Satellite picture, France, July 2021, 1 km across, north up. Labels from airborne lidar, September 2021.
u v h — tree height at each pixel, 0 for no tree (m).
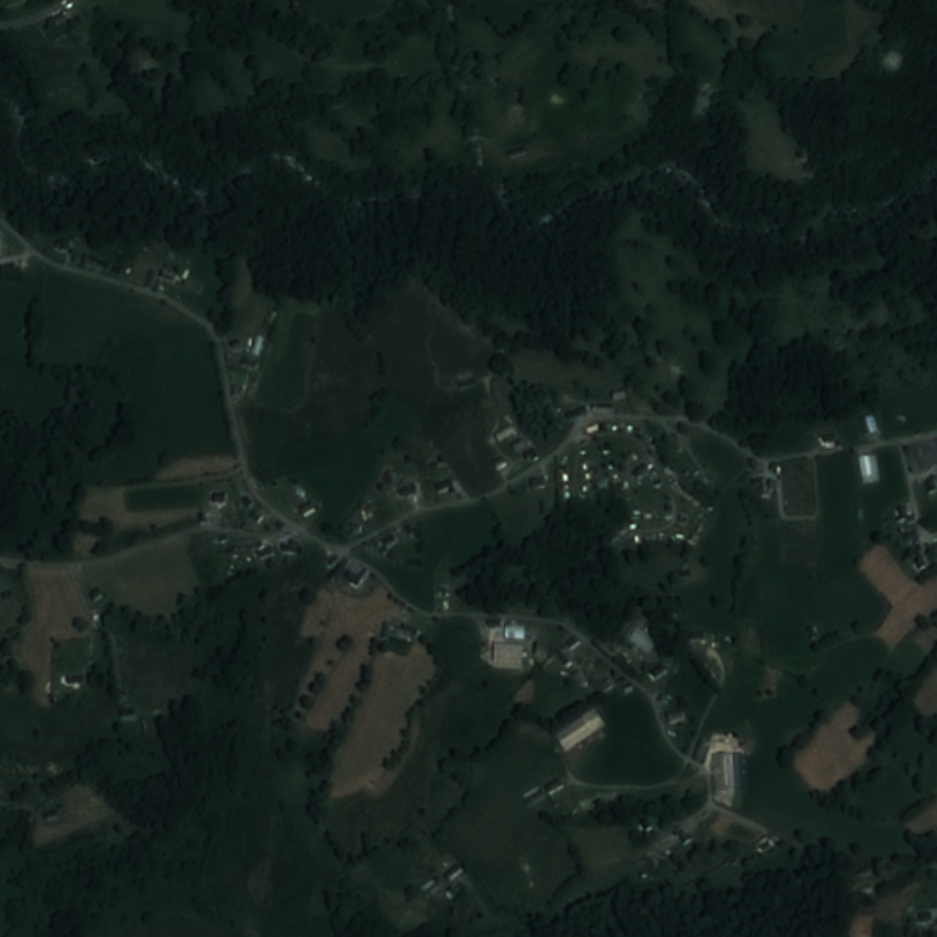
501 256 22
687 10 21
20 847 10
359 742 0
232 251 24
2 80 20
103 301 0
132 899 0
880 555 0
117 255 0
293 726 23
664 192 12
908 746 0
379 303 19
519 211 15
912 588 0
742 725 0
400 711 0
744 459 0
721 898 20
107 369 6
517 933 6
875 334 13
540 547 19
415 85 13
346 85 10
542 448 0
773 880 20
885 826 0
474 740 0
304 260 21
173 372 0
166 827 15
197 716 12
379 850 12
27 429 10
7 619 0
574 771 0
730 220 8
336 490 0
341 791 0
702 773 0
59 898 12
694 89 7
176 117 28
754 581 0
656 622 27
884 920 0
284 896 0
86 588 0
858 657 0
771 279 16
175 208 14
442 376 0
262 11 20
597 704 15
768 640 0
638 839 10
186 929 0
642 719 0
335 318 0
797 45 0
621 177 11
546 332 15
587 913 23
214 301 0
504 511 0
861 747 0
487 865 0
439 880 8
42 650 0
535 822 0
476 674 0
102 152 15
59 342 0
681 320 0
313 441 0
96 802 0
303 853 0
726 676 0
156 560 0
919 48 20
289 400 0
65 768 0
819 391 14
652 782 0
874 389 7
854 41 0
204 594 6
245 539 0
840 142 23
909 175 21
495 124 0
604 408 0
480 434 0
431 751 0
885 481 0
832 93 22
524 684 0
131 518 0
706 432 0
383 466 0
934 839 17
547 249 27
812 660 0
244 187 33
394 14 9
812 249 13
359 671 0
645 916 24
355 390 0
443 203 17
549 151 0
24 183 18
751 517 7
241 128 21
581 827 0
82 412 21
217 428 0
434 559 0
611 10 16
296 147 17
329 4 0
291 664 0
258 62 20
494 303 9
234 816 0
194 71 20
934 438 0
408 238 22
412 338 0
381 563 0
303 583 0
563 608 7
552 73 0
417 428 0
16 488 21
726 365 0
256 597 0
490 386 0
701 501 8
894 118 18
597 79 17
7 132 21
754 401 17
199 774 9
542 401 22
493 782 0
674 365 0
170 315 0
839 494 0
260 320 0
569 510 9
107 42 7
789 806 0
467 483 0
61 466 9
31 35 0
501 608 19
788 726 0
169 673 0
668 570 0
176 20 0
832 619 0
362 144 14
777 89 18
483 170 15
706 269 19
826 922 15
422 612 0
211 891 0
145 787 15
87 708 0
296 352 0
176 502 0
